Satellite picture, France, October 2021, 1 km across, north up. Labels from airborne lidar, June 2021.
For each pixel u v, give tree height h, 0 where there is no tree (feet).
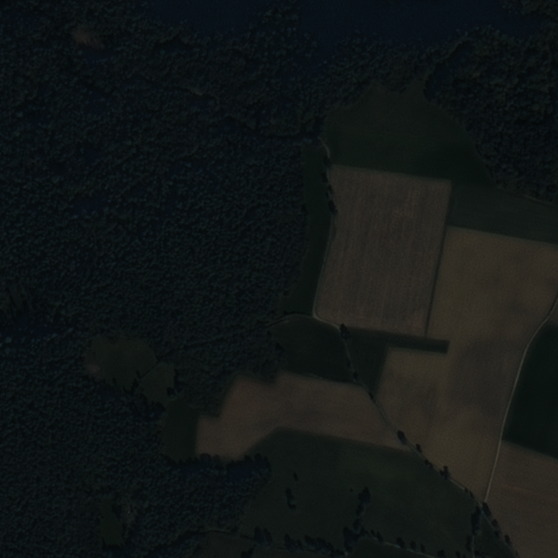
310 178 0
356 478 0
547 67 70
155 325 73
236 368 50
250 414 0
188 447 0
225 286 58
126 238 52
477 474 0
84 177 90
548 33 69
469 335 0
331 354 0
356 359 0
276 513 0
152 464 78
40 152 67
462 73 94
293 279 49
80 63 95
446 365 0
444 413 0
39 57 70
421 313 0
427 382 0
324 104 48
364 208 0
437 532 0
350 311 0
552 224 0
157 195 38
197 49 65
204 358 45
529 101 75
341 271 0
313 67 51
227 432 0
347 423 0
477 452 0
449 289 0
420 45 29
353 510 0
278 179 51
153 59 78
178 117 37
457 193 0
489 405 0
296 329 0
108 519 0
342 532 0
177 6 59
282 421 0
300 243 54
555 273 0
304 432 0
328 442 0
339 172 0
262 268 38
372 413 0
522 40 59
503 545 0
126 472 72
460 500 0
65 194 62
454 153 0
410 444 0
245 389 0
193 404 68
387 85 38
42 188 62
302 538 0
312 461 0
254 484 65
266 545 60
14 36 65
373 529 0
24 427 80
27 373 36
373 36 36
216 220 45
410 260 0
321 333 0
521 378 0
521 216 0
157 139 42
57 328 22
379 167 0
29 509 44
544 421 0
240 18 65
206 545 30
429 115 0
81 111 56
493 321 0
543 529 0
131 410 26
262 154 32
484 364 0
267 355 46
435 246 0
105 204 59
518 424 0
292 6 83
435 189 0
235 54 45
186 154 58
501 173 74
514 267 0
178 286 71
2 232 63
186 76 53
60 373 56
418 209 0
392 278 0
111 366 0
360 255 0
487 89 38
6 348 78
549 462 0
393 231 0
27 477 62
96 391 25
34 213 73
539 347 0
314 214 0
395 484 0
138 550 67
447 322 0
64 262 71
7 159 64
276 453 0
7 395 73
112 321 67
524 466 0
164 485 56
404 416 0
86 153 25
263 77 71
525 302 0
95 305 57
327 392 0
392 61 39
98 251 61
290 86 81
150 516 66
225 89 56
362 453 0
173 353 59
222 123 52
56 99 80
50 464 56
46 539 51
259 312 52
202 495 59
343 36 52
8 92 65
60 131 54
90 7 30
